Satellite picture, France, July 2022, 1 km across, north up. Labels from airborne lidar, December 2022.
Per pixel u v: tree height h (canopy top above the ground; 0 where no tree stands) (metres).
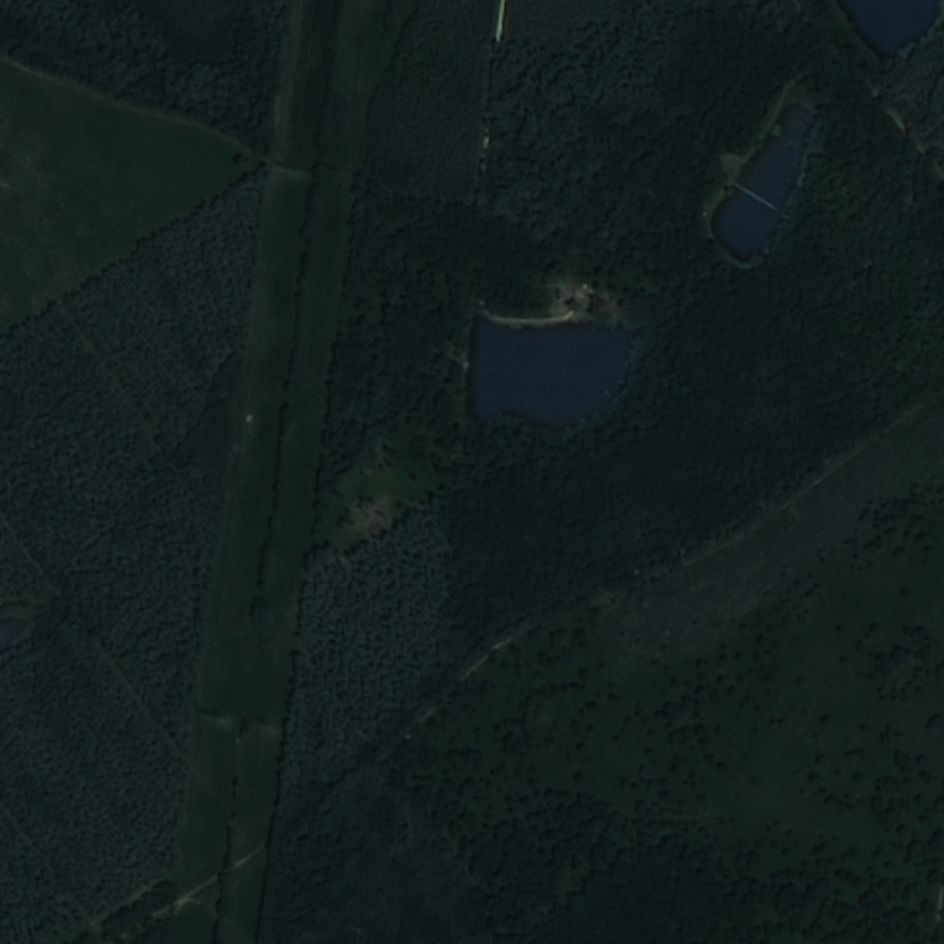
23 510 20
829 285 13
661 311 9
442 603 24
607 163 20
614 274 15
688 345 20
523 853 25
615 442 16
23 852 24
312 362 0
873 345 17
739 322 15
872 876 0
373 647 22
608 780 0
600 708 18
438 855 16
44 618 7
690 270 24
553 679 0
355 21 0
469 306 13
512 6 11
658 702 0
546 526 15
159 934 17
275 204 0
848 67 24
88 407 21
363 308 18
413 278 15
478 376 0
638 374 15
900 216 9
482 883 15
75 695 13
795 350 13
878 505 13
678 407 18
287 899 19
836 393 20
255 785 0
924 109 17
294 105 0
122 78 24
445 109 9
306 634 20
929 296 15
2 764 17
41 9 27
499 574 18
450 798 19
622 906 24
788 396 13
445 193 8
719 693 14
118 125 0
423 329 24
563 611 18
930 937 11
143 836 18
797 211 16
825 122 18
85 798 13
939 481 12
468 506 22
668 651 13
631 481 15
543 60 13
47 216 0
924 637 19
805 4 18
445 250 21
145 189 0
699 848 14
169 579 17
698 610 0
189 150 0
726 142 23
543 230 19
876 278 19
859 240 11
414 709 14
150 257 15
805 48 23
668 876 24
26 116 0
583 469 14
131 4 11
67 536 21
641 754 0
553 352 0
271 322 0
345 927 19
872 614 0
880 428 19
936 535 14
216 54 11
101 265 0
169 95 16
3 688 18
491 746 0
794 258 19
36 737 17
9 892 22
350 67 0
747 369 14
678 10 21
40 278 0
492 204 7
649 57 21
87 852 20
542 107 24
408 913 23
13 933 25
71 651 17
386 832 18
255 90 16
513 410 0
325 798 19
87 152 0
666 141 16
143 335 16
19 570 18
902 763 15
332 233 0
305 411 0
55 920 16
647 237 21
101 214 0
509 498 13
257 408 0
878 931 15
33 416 19
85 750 18
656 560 14
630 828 14
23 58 21
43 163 0
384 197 17
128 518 24
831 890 15
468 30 8
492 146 8
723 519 12
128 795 15
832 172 12
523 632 17
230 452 16
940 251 19
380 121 9
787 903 18
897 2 0
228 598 0
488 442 18
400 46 9
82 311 16
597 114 23
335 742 21
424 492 0
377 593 21
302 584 0
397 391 23
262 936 16
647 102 23
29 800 12
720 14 22
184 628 17
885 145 18
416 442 7
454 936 24
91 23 22
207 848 0
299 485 0
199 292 20
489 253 21
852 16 0
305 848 17
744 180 0
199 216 15
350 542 0
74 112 0
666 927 22
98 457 23
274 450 0
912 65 14
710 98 17
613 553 17
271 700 0
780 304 13
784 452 13
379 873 23
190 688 20
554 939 23
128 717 18
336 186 0
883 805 14
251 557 0
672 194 16
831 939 14
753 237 0
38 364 18
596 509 15
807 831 0
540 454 18
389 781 21
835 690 0
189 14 11
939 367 16
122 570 18
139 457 22
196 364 13
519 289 19
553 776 0
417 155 10
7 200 0
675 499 15
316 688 19
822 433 18
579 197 23
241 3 9
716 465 15
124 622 21
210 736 0
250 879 0
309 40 0
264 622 17
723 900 17
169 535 20
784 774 0
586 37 16
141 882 19
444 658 22
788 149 0
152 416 17
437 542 25
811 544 0
